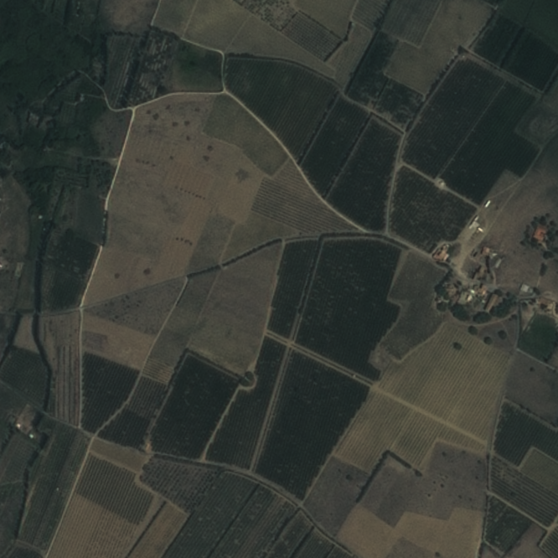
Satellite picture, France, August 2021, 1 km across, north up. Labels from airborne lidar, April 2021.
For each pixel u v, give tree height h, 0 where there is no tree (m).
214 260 0
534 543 0
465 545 0
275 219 0
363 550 0
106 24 0
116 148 0
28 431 0
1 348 0
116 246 0
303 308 6
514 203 0
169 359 0
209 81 0
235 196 0
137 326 0
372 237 7
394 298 0
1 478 0
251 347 0
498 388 0
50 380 11
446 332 0
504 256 0
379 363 0
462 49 12
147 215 0
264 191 0
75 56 0
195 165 0
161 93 11
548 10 0
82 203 0
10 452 0
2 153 12
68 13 11
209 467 8
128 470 0
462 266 0
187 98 0
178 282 0
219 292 0
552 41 0
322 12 0
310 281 7
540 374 0
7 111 0
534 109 0
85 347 0
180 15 0
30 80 0
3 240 0
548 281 0
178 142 0
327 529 0
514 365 0
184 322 0
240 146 0
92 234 0
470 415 0
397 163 0
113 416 0
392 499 0
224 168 0
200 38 0
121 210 0
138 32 0
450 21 0
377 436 0
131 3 0
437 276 0
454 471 0
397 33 0
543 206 0
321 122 7
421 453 0
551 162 0
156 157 0
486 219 0
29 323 0
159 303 0
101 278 0
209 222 0
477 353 0
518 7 0
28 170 7
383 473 0
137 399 0
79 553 0
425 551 0
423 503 0
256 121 0
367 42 0
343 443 0
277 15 0
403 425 0
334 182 8
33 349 0
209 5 0
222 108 0
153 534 0
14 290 0
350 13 0
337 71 0
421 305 0
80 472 0
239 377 9
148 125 0
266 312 0
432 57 0
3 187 0
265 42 0
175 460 6
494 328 0
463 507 0
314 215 0
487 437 0
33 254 0
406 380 0
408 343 0
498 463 0
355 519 0
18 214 0
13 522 0
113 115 0
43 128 0
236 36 0
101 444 0
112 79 0
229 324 0
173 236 0
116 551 0
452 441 0
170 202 0
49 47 0
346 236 10
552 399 0
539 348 0
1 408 0
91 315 0
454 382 0
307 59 0
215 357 0
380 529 0
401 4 0
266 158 0
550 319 0
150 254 0
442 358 0
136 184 0
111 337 0
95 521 0
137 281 0
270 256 0
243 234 0
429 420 0
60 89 8
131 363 0
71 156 0
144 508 0
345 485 0
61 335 0
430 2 0
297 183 0
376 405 0
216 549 7
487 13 0
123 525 0
